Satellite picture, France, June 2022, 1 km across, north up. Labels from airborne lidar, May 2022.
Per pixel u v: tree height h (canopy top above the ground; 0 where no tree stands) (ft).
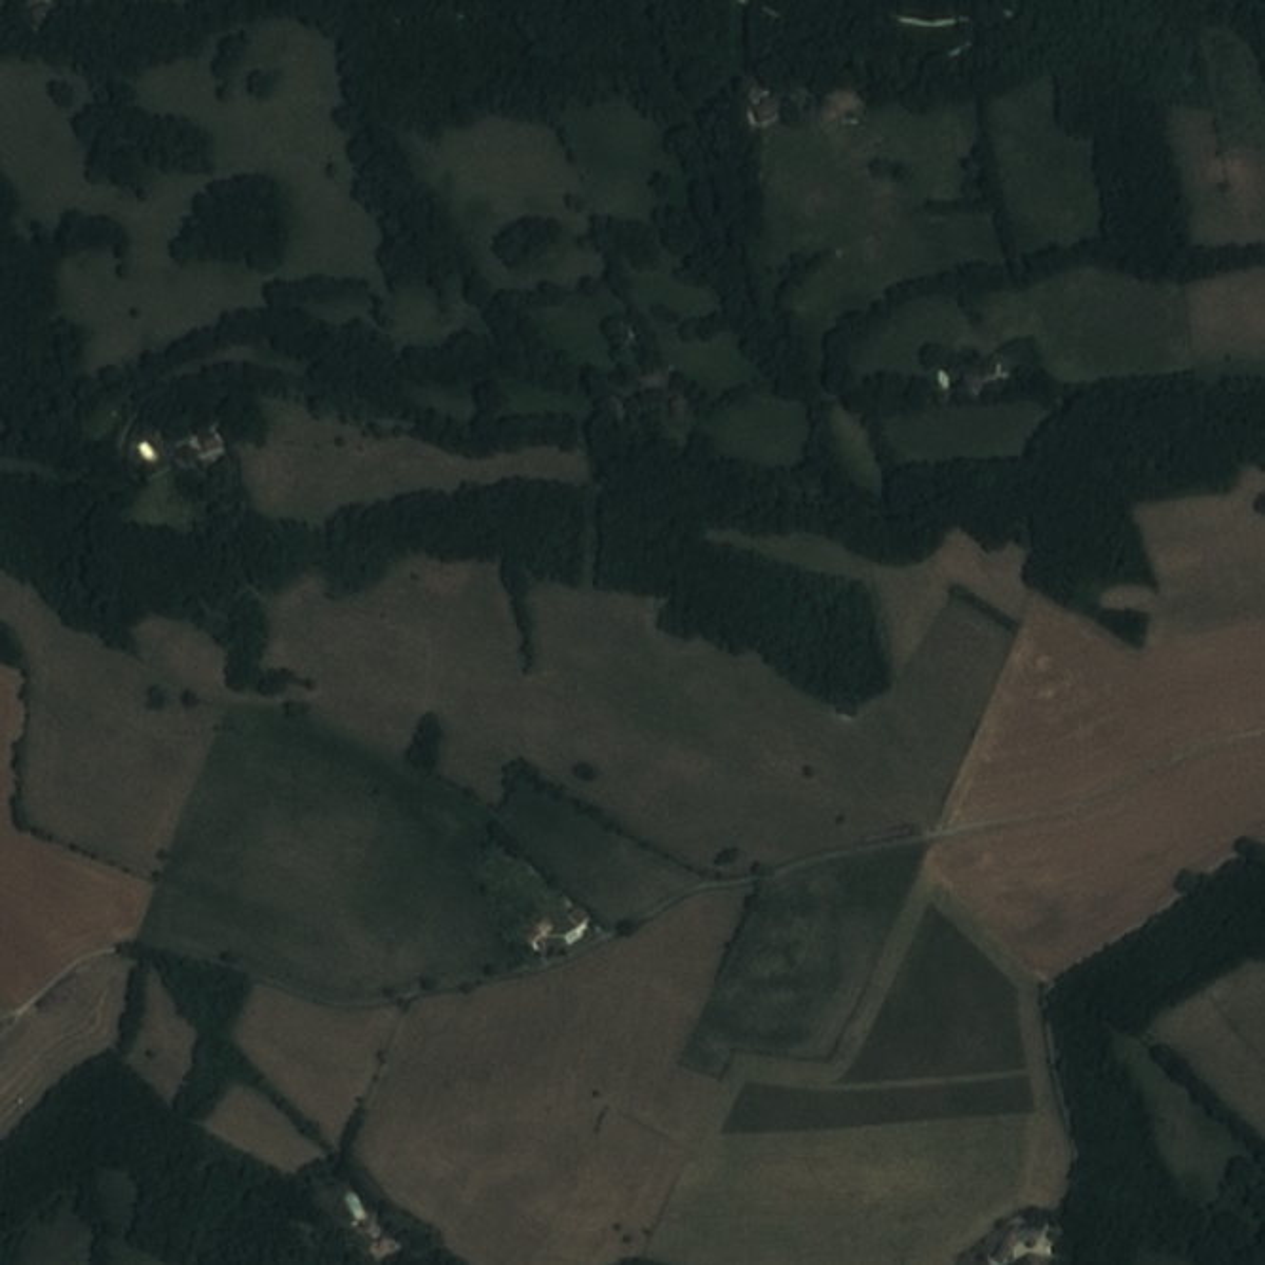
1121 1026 45
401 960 0
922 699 0
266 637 30
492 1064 0
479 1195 0
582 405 0
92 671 0
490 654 0
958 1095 0
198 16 64
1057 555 67
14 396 75
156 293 0
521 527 41
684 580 50
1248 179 0
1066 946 0
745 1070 0
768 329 66
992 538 51
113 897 0
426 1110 0
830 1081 0
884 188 0
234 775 0
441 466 0
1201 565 0
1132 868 0
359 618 0
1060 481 73
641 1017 0
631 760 0
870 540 59
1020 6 42
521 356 65
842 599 29
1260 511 29
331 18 65
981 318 26
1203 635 0
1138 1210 38
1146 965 36
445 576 0
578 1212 0
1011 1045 0
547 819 0
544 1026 0
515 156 0
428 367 74
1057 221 0
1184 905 35
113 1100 51
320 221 0
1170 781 0
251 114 0
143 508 0
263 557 42
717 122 74
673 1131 0
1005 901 0
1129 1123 43
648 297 0
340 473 0
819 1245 0
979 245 0
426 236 81
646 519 62
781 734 0
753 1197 0
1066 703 0
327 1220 37
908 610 0
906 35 45
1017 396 42
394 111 22
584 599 0
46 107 0
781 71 72
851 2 76
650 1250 0
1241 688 0
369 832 0
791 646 43
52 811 0
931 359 52
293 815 0
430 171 0
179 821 0
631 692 0
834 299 0
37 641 0
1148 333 0
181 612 41
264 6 40
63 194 0
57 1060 0
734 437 0
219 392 55
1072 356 0
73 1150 44
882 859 0
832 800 0
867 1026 0
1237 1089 0
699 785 0
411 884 0
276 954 0
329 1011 0
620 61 57
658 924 0
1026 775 0
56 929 0
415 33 27
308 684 30
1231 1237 77
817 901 0
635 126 0
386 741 0
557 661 0
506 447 62
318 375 45
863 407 51
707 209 71
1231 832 0
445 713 0
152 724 0
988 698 0
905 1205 0
